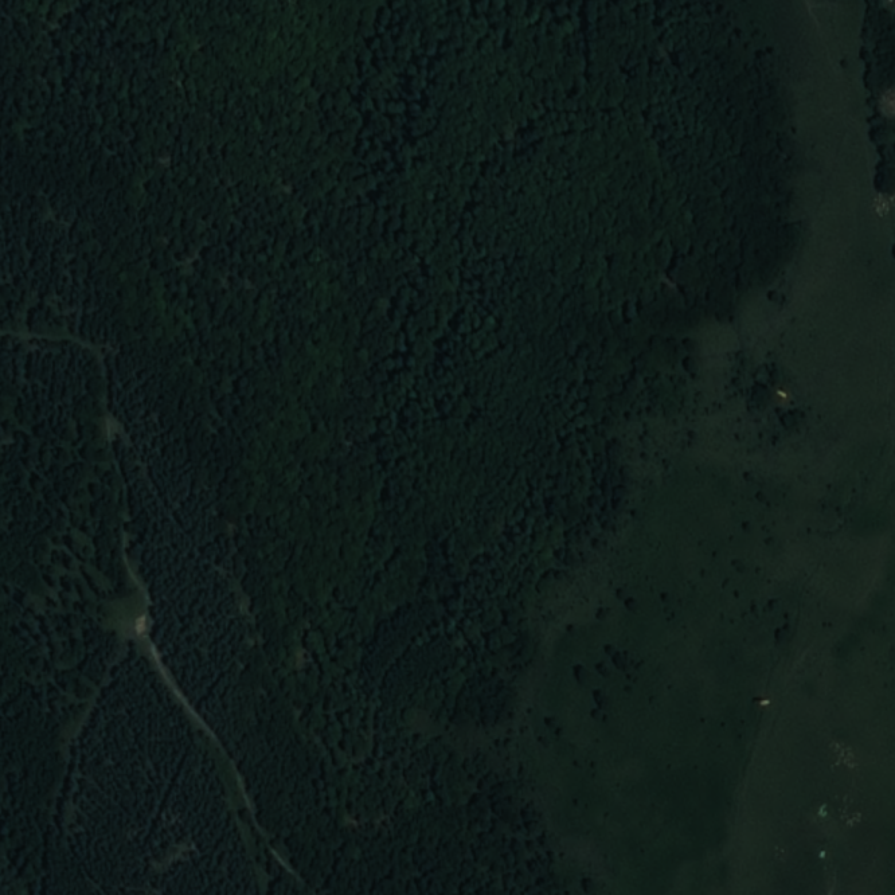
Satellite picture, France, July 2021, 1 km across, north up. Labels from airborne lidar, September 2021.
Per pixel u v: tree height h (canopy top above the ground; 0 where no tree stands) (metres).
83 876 18
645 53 31
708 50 28
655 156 32
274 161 27
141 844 21
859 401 0
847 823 0
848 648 0
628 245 30
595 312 18
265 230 26
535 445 26
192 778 23
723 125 29
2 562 12
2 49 28
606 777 0
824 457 0
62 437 17
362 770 26
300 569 22
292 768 15
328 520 23
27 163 22
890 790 0
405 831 11
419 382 34
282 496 25
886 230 0
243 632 19
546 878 12
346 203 24
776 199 12
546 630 0
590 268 22
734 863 0
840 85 0
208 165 32
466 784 20
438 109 26
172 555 23
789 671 0
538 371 30
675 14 26
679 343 17
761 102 18
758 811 0
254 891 23
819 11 0
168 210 29
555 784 0
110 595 17
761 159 24
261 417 21
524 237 27
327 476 25
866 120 0
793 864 0
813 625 0
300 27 21
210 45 19
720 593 0
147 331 26
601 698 19
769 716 0
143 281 22
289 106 25
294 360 22
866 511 0
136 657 20
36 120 27
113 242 23
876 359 0
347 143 25
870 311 0
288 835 11
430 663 19
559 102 31
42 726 13
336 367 25
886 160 16
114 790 20
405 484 37
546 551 20
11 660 11
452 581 11
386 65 36
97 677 15
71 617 15
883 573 0
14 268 18
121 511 21
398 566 34
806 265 0
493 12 25
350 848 24
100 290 18
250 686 21
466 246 23
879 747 0
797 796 0
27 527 11
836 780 0
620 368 16
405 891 21
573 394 27
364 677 18
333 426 27
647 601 0
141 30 27
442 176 30
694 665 0
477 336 28
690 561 0
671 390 9
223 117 24
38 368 18
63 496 18
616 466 20
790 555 0
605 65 31
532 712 9
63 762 11
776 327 0
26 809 19
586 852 0
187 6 19
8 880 21
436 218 28
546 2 12
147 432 15
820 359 0
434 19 36
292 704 11
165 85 24
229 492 18
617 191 34
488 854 18
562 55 27
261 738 18
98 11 27
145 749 25
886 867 0
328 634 39
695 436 13
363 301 19
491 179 29
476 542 29
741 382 15
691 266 32
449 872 18
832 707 0
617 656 11
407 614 25
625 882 0
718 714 0
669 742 0
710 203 29
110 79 28
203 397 21
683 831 0
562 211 26
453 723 13
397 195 32
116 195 22
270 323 24
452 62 35
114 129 24
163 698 22
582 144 33
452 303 29
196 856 22
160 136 31
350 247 21
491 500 31
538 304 27
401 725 10
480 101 28
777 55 16
